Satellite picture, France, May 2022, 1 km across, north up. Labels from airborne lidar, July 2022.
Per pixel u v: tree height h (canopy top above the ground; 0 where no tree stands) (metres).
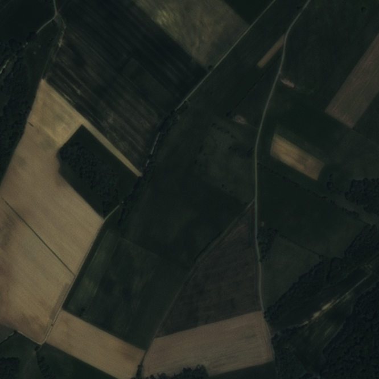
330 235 0
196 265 0
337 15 0
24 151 0
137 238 0
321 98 0
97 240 0
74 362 0
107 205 11
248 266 0
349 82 0
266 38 0
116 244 0
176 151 0
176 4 0
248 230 0
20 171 0
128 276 0
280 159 0
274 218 0
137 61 0
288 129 0
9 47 9
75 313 0
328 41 0
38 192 0
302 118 0
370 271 0
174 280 0
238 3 0
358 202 14
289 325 0
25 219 0
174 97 0
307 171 0
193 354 0
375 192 17
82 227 0
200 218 0
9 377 17
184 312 0
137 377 9
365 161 0
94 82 0
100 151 0
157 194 0
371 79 0
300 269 0
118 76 0
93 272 0
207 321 0
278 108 0
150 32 0
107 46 0
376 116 0
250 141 0
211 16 0
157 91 0
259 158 0
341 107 0
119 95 0
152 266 0
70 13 0
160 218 0
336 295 0
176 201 0
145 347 0
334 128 0
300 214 0
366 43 0
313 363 0
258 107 0
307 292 26
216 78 0
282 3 0
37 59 0
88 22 0
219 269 0
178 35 0
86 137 0
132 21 0
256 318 0
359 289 0
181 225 0
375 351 34
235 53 0
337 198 0
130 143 0
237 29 0
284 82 0
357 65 0
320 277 21
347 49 0
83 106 0
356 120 0
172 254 0
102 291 0
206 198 0
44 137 0
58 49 0
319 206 0
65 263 0
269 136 0
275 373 0
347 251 11
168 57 0
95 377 0
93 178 27
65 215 0
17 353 0
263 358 0
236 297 0
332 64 0
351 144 0
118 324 0
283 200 0
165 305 0
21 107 22
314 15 0
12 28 0
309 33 0
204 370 11
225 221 0
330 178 7
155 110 0
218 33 0
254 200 0
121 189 0
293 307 19
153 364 0
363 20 0
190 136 0
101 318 0
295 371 22
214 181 0
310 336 0
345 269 14
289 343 6
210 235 0
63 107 0
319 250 0
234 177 0
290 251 0
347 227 0
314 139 0
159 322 0
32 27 0
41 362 16
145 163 0
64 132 0
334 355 27
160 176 0
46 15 0
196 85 0
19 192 0
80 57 0
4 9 0
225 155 0
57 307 0
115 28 0
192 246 0
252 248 0
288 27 0
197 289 0
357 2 0
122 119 0
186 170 0
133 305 0
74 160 24
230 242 0
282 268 0
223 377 0
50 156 0
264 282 0
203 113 0
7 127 24
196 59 0
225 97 0
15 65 11
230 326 0
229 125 0
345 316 0
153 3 0
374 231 12
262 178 0
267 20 0
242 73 0
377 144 0
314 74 0
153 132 0
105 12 0
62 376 0
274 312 15
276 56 0
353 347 30
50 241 0
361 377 26
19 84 18
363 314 16
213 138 0
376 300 18
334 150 0
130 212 7
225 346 0
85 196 0
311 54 0
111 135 0
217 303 0
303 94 0
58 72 0
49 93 0
